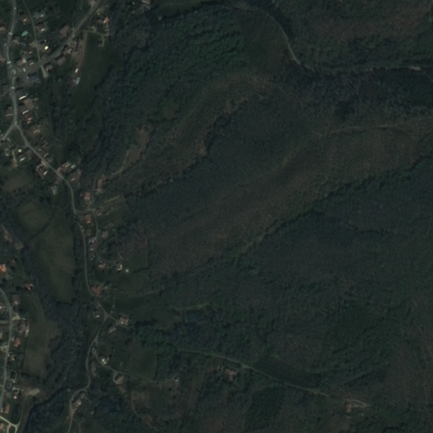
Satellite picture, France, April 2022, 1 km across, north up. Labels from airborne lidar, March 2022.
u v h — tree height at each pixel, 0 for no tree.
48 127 0
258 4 29
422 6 19
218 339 22
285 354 24
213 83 19
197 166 12
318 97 20
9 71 0
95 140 0
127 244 17
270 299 24
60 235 0
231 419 19
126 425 13
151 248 16
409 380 21
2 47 0
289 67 8
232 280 13
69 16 0
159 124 20
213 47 17
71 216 10
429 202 25
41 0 0
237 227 17
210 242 17
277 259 15
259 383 20
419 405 23
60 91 0
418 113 17
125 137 22
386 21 17
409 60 7
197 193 21
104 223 0
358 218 25
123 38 14
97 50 0
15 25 0
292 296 22
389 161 18
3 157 15
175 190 20
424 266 23
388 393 20
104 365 0
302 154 15
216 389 22
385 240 20
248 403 20
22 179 0
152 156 14
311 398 20
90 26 0
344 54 19
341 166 21
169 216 20
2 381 0
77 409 0
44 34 7
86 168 7
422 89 7
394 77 7
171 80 18
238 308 20
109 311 0
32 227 0
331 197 18
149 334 22
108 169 10
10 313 0
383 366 22
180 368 20
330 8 20
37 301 0
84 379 0
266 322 15
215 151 23
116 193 13
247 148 18
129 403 20
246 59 19
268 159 16
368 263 21
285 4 17
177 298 20
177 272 26
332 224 22
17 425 0
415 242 19
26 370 0
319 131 17
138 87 17
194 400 0
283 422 20
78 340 11
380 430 0
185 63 19
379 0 16
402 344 20
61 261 0
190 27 17
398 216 23
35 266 23
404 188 27
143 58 20
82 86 0
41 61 0
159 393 0
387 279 24
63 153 0
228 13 19
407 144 0
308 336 20
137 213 20
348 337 15
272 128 21
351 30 17
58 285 0
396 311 20
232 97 19
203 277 20
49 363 0
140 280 0
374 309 23
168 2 9
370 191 21
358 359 22
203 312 0
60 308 26
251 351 22
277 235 19
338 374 25
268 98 17
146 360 0
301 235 21
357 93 24
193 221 19
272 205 16
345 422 0
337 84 22
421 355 17
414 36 21
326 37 20
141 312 0
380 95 8
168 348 19
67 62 0
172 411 20
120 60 0
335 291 21
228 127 11
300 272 17
